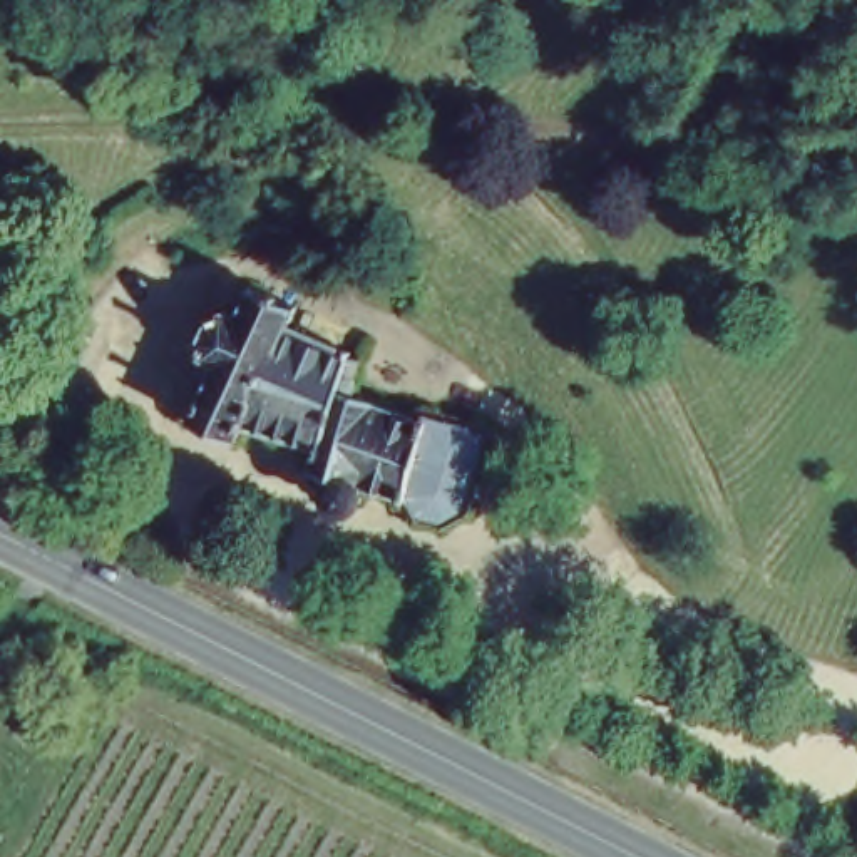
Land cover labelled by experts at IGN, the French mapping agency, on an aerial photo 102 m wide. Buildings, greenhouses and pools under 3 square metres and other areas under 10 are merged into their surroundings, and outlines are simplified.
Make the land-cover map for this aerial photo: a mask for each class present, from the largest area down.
<instances>
[{"label":"deciduous trees","instance_id":"1","mask_svg":"<svg viewBox=\"0 0 857 857\"><path fill-rule=\"evenodd\" d=\"M0 44L7 50V60L40 57L47 67H64L67 74L60 87L70 94V100L87 97L90 107L107 114L110 121H124V110L137 104V117L131 121L134 127H151L167 114L184 110L198 97L201 77H221L224 70L244 67L251 84L231 97L228 114L221 117V134L214 137L218 147L201 164V177L187 187L194 204H187L184 211L194 221H201L204 241L214 244V228L221 221H231L241 231L254 204L258 181L291 174L298 164L288 147H275L271 161L251 167L248 157H231V147H251L275 127L305 121L308 104L315 100V87L345 80L348 74L375 67L385 57V47L372 33H365L358 0H0ZM469 74L489 87L512 80L536 64V33L529 27L526 10L516 0H502L492 10L489 30L475 23L462 33ZM593 10L609 13L606 47L593 54L586 64L596 67L603 77L619 80L616 94L626 100V124L633 137H659L670 151L666 161L649 164L643 174L623 164L613 174L599 177L586 218L593 228L613 238H629L653 214L659 224L683 238H706L710 244L703 254L713 264L733 271L743 281L767 285L783 271L797 278L800 268L813 258V238L857 234V0H572L569 13L576 20L589 17ZM375 154H385L398 164H412L418 157L432 174L452 184V191L472 198L482 208L522 201L542 187L539 181L549 171L546 144L532 134L522 110L502 97L495 104H472L455 117L445 110H432V104L422 94H398L395 104L385 110L382 131L355 134L348 144L338 147H318L311 154V167L305 177V184L315 194L311 218H321L328 224L331 244L341 254V261H331L315 248L298 244L275 275L311 298H328L355 288L362 298L372 301L375 295L415 285V278L425 275L412 214L385 201V181L368 171ZM67 177L44 154H33V164L7 171L0 177V512L7 509L13 536H23L54 552L100 559L104 572L131 569L134 576L171 589L184 566H191L198 576L218 579V586L224 589H254L271 579L278 559V536L291 519V499L268 495L264 489L244 479H231L228 489H214L208 495L191 536L161 512L167 502L174 445L154 435L144 412L121 398L100 395L94 408H87L84 402H74L64 392L67 378L80 365V355L87 352V278L84 234L94 224V214L90 204H84V191H67ZM690 335L683 298L629 295V288H613L603 291L593 301V308L576 321L572 338L562 348L579 355L606 382L619 388H636L643 382H670L680 368L676 345ZM720 335L710 345L730 352L736 365H773L797 341V308L793 301L777 295L736 288L716 308ZM482 432L489 439L482 469L489 485L499 492V502L482 516L489 536L502 546L522 539L549 546L579 542L586 536L582 512L596 505L599 449L572 439L566 425L549 422H526V429L505 432V422L489 412ZM680 522L670 529L666 546L656 556H636L639 569L663 582L673 599L690 596L703 582V576L720 569L716 549L723 536L706 516L676 509ZM479 576H459L449 569L442 556L429 552V562L415 566L398 579L388 559L372 542H355L348 546V552H335L331 559H311V566L291 582L288 609L295 616L301 626L315 619L318 633L325 636V646H375L388 659V670H408L429 686L452 683L462 700L452 703V716L445 720L459 726L469 743L489 750L499 760L532 770L539 760L549 757L552 747H589L593 753H603L606 763L619 773L653 770L676 783H696L720 803L733 807L740 817L760 824V830L780 840L793 837L817 857H857V824L847 827L840 797H817L803 807V787L783 783L773 770H767L760 780H750L743 773L747 760H726L713 747L686 733H676L673 723L690 720L700 726H713L720 733H740L753 747L793 743L803 733H834V710L840 703L813 683L810 666L797 649L783 646L773 636V629L743 619L733 609L716 623L696 626V633L690 636L683 626L653 616L659 599L629 596L623 582H599L586 566L572 572V579H566L559 589L542 593L536 626L526 636L519 629L502 633L479 613ZM629 693H646V700L666 703L673 710V723L653 720L649 713L629 706ZM23 596L17 576L0 566V619ZM107 643H87L84 636L54 626V653H47L37 639L0 643V723L7 726V716H20V733L13 736L20 750H33L37 743L47 747L50 740L67 733L70 723H80V710L94 703L97 690L110 693L117 683L107 676V666L114 659L104 649Z\"/></svg>","mask_w":857,"mask_h":857},{"label":"herbaceous vegetation","instance_id":"2","mask_svg":"<svg viewBox=\"0 0 857 857\"><path fill-rule=\"evenodd\" d=\"M502 0H358L365 33H372L385 47V57L375 67L348 74L345 80L315 87V100L308 104L305 121L275 127L251 147H231V157H248L251 167L271 161L275 147H288L298 164L291 174L258 181L254 204L241 231L231 221H221L214 228V244L204 241L201 221H194L184 211L187 204H194L187 187L201 177V164L218 147L214 137L221 134V117L228 114L231 97L251 84L244 67L224 70L221 77H201L198 97L184 110L167 114L151 127H134L131 121L137 117V104L124 110V121H110L107 114L90 107L87 97L70 100V94L60 87L67 74L64 67H47L40 57L7 60V50L0 44V177L7 171L33 164V154H44L67 177V191H84V204H90L94 214H107L114 204L127 201L137 191L157 187V194L167 201L164 211L147 208L121 221L107 214V238L114 241V261L121 268H134L144 254L157 251L161 241L174 238L184 241L191 251L214 258L218 264L238 254L264 264L275 275L298 244L315 248L331 261H341V254L331 244L328 224L321 218H311L315 194L305 184V177L311 167V154L318 147H338L348 144L355 134L382 131L385 110L395 104L398 94H422L432 104V110H445L455 117L472 104H495L502 97L522 110L532 134L546 144L549 171L539 181L542 187L522 201L482 208L472 198L452 191V184L432 174L418 157L412 164H398L385 154H375L368 171L385 181V201L412 214L425 275L415 278V285L375 295L372 301L375 308L405 318L439 352L465 362L485 388H512L519 398L549 415V422L566 425L572 439L599 449L596 505L636 556H656L666 546L670 529L680 522L676 509L706 516L723 536L716 549L720 569L703 576V582L690 596L703 606L730 603L733 609L743 619L773 629V636L783 646L797 649L810 666L827 663L857 673V234L813 238V258L800 268L797 278L783 271L767 285L743 281L733 271L713 264L703 254L710 244L706 238H683L659 224L653 214L629 238H613L593 228L586 218L599 177L613 174L623 164L643 174L649 164L666 161L670 151L659 137H633L626 124V100L616 94L619 80L603 77L596 67L586 64L593 54L606 47L609 13L593 10L589 17L576 20L569 13L572 0H516L526 10L529 27L536 33V64L512 80L489 87L469 74L462 33L475 23L489 30L492 10ZM613 288H629V295L683 298L690 335L676 345L680 368L670 382H643L636 388H619L606 382L579 355L562 348L572 338L576 321L593 308V301L603 291ZM736 288L777 295L793 301L797 308V341L773 365H736L730 352L710 345L720 335L716 308ZM368 335H362L352 355L348 388H355L362 402L392 408L398 412V418H412L415 425L425 418L482 432L489 412L475 405L472 412H452L442 398L372 388ZM171 589L191 599L194 606L224 616L228 623L315 666L331 670L335 676L368 690L372 696H382L385 703L432 726L445 720L452 716V703L462 700L452 683L429 686L408 670H388V659L375 646H325V636L318 633L315 619L301 626L295 616L291 623H278L271 613L241 603L234 589H224L218 586V579L198 576L191 566H184ZM54 626L84 636L87 643H107L104 649L114 659L107 666V676L117 683L110 693L97 690L94 703L80 710V723H70L67 733L50 740L47 747L37 743L33 750H20L13 736L20 733V716H7V726L0 723V857H23L30 837H23L20 827L33 813L47 783H57L70 757L90 753L117 713L121 733H141V753L147 743L171 753H181L184 743H201L198 763L208 770L224 767L218 790H248L244 807H251L254 800H268V807L308 824L311 834H328L331 827H358L365 837L375 840V857H569L519 827L492 820L489 813L435 787L418 783L415 777L402 773L398 767H388L372 753L348 747L335 733L301 723L291 713L211 673H201L167 653L151 649L141 636H134L124 626H110L107 619L87 616L80 606L64 603L57 596H23L0 619V643L37 639L47 653H54ZM532 770L542 780L562 787L566 793L680 847L690 857H817L793 837L780 840L760 830V824L740 817L733 807L720 803L696 783H676L653 770L619 773L606 763L603 753H593L589 747H552L549 757L539 760Z\"/></svg>","mask_w":857,"mask_h":857},{"label":"pervious surface","instance_id":"3","mask_svg":"<svg viewBox=\"0 0 857 857\"><path fill-rule=\"evenodd\" d=\"M87 352L80 355V365L67 378L64 392L74 402H84L87 408H94L100 395L121 398L144 412L154 435L174 445L167 502L161 512L191 536L208 495L214 489H228L231 479H244L264 489L268 495L291 499V519L278 536V559L271 579L254 589H234L241 603L271 613L278 623H291L295 616L288 609L291 582L311 566V559H331L335 552H348V546L355 542H372L388 559L398 579L415 566L429 562V552L442 556L449 569L459 576H479V613L502 633L519 629L526 636L536 626L542 593L559 589L566 579H572V572L586 566L599 582H623L629 596L659 599L653 616L683 626L690 636L696 633V626L716 623L733 609L730 603L703 606L690 596L673 599L663 582L639 569L636 556L596 505L582 512L586 536L579 542L549 546L522 539L502 546L489 536L482 516L499 502V492L489 485L482 469L455 489L452 499L462 516L452 522L435 526L415 519L405 505H398V495H368L358 509H352V516L341 519V529L325 532L308 516L315 509V499L305 492V485L325 475V465L308 462L305 445L268 449L261 442H248V432H231V439L221 442L187 432L184 425L194 418V405H184V368L191 365V335L208 318L224 321L231 308H238L254 318L264 301L285 308V301H298L305 308L308 328L338 341L345 355H352L362 335H368L372 388L442 398L452 412H472L475 405L489 412L505 422V432L526 429V422H549V415L519 398L512 388H485L465 362L439 352L405 318L375 308L372 301L362 298L355 288L328 298H311L275 275L264 264L238 254L218 264L214 258L191 251L184 241L174 238L161 241L157 251L144 254L134 268H121L114 278H87ZM813 683L840 703L834 710V733H803L793 743L753 747L740 733H720L713 726H700L690 720L673 723L676 733H686L713 747L726 760H747L743 773L750 780H760L767 770H773L783 783L803 787V807L817 797H840L847 827L857 824V673L827 663L810 666ZM629 706L649 713L653 720L673 723V710L666 703L646 700V693H629Z\"/></svg>","mask_w":857,"mask_h":857},{"label":"impervious surface","instance_id":"4","mask_svg":"<svg viewBox=\"0 0 857 857\"><path fill-rule=\"evenodd\" d=\"M0 566L17 576L23 596H57L64 603L80 606L87 616L107 619L110 626H124L134 636H141L151 649L167 653L201 673H211L291 713L301 723L335 733L348 747L372 753L388 767H398L402 773L415 777L418 783L435 787L489 813L492 820L519 827L569 857H690L680 847L566 793L562 787L542 780L532 770L499 760L489 750L469 743L459 726L445 720L432 726L385 703L382 696H372L368 690L335 676L331 670L315 666L228 623L224 616L194 606L191 599L171 589L134 576L131 569L104 572L100 559L54 552L23 536H13L7 509L0 512Z\"/></svg>","mask_w":857,"mask_h":857},{"label":"building","instance_id":"5","mask_svg":"<svg viewBox=\"0 0 857 857\"><path fill-rule=\"evenodd\" d=\"M352 355H345L338 341L308 328L305 308L298 301H285V308L264 301L254 318L238 308H231L224 321L208 318L191 335V365L184 368V405H194V418L184 425L187 432L221 442L231 439V432H248V442H261L268 449L305 445L308 462L325 465V475L305 485V492L315 499V509L308 516L325 532L341 529V519L352 516V509H358L368 495H398V505H405L415 519L435 526L452 522L462 516L452 499L455 489L482 469L489 439L482 432L425 418L415 425L412 418H398V412L392 408L362 402L355 388H348Z\"/></svg>","mask_w":857,"mask_h":857},{"label":"vineyard","instance_id":"6","mask_svg":"<svg viewBox=\"0 0 857 857\"><path fill-rule=\"evenodd\" d=\"M141 733H121L117 713L90 753L70 757L57 783H47L33 813L20 827L23 837H30L23 857H375V840L365 837L358 827H331L328 834H311L308 824L268 807V800H254L251 807H244L248 790H218L224 767L208 770L198 763L201 743H184L181 753H171L147 743L141 753Z\"/></svg>","mask_w":857,"mask_h":857},{"label":"brushwood","instance_id":"7","mask_svg":"<svg viewBox=\"0 0 857 857\"><path fill-rule=\"evenodd\" d=\"M147 208L164 211L167 201L157 194V187L137 191L127 201L114 204L107 214L121 221ZM87 278H114L121 268L114 261V241L107 238V214H94V224L84 234Z\"/></svg>","mask_w":857,"mask_h":857}]
</instances>
